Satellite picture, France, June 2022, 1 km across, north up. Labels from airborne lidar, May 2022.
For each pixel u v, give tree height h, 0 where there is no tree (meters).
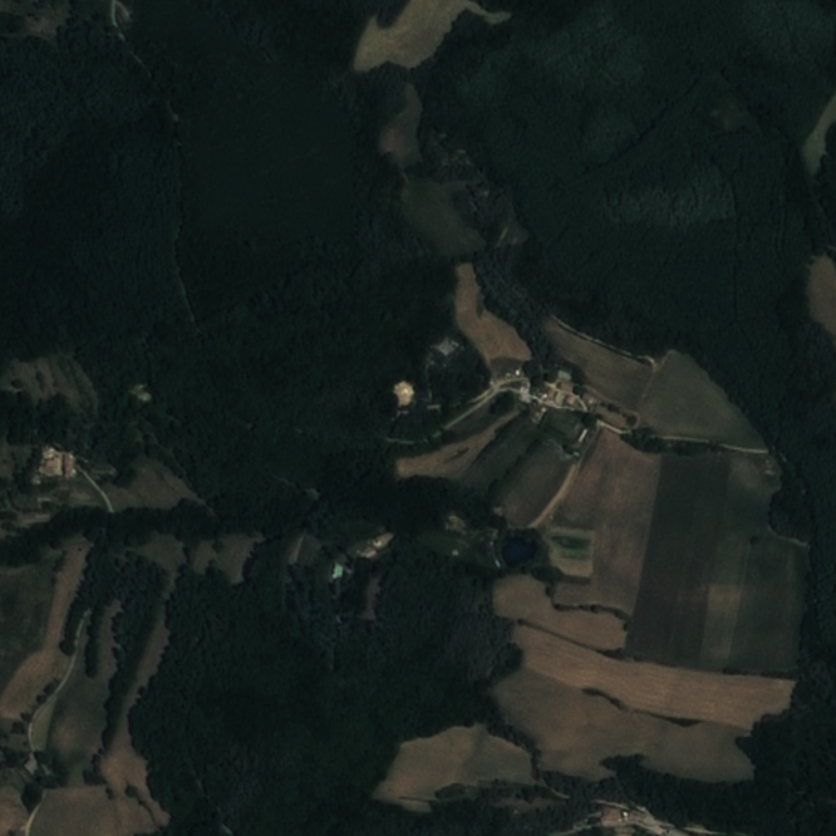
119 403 14
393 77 16
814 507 16
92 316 22
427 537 0
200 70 9
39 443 12
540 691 0
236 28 15
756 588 0
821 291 0
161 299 22
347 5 7
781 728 12
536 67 13
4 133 27
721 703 0
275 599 23
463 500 15
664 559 0
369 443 17
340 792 21
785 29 11
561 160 22
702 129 21
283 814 22
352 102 9
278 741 13
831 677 15
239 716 19
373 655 20
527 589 0
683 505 0
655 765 0
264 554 23
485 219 13
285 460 16
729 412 0
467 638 17
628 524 0
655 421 0
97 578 20
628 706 0
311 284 19
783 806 20
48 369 0
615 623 0
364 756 15
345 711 15
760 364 18
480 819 16
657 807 20
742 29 14
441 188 0
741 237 17
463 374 8
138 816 0
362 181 8
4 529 6
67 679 0
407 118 0
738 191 17
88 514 15
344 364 13
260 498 16
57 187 16
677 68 18
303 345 10
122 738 0
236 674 21
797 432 22
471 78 11
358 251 11
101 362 20
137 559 10
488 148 13
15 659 0
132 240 23
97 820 0
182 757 16
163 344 22
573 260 14
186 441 22
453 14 0
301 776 19
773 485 0
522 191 19
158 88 9
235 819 20
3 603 0
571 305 6
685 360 0
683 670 0
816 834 22
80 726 0
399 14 9
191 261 8
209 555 0
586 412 6
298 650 21
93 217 19
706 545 0
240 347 22
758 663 0
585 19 10
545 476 0
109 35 6
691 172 17
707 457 0
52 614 0
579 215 19
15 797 0
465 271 0
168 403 20
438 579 21
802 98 20
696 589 0
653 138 22
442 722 10
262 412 18
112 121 15
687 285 19
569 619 0
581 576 0
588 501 0
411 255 14
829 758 18
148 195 19
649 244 21
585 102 13
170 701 18
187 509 21
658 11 16
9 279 21
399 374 14
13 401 23
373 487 17
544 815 12
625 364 0
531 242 10
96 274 19
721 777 0
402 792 0
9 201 29
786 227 20
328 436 14
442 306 10
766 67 13
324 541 23
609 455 0
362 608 22
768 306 17
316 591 12
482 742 0
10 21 25
